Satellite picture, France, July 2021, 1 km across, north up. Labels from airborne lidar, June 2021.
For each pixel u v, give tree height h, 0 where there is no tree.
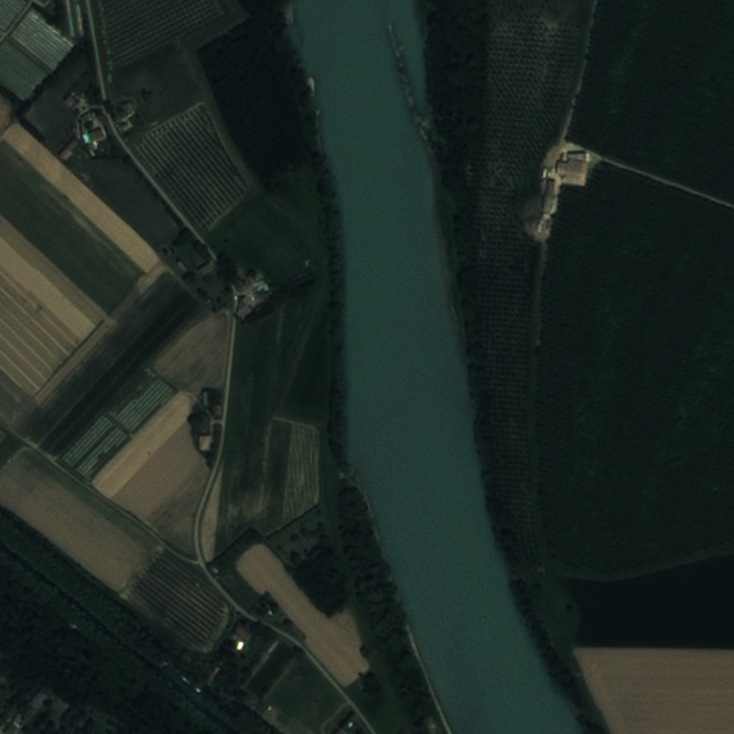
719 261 12
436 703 0
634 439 13
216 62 15
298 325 0
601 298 12
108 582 0
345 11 0
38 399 0
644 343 11
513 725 0
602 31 9
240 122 22
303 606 0
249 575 0
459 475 0
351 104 0
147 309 0
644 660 0
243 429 0
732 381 11
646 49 13
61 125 0
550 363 9
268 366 0
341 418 23
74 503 0
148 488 0
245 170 0
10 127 0
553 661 22
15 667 13
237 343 0
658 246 10
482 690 0
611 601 0
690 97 11
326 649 0
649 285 8
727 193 10
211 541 0
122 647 36
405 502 0
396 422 0
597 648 0
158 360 0
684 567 0
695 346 11
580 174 0
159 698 35
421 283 0
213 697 31
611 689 0
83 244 0
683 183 9
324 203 8
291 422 0
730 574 0
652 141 11
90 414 0
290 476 0
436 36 21
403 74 16
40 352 0
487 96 12
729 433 11
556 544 9
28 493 0
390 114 0
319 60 0
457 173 19
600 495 13
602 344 12
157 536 0
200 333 0
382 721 0
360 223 0
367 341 0
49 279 0
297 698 0
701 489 13
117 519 0
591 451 12
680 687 0
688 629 0
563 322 9
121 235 0
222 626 0
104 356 0
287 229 0
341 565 0
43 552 30
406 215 0
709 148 8
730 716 0
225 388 0
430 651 0
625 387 12
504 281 15
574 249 10
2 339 0
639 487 11
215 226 0
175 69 0
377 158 0
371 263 0
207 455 7
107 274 0
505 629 0
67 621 9
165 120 0
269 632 11
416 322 0
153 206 0
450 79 27
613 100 11
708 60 10
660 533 12
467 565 0
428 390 0
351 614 0
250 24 18
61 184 0
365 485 0
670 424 13
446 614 0
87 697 18
